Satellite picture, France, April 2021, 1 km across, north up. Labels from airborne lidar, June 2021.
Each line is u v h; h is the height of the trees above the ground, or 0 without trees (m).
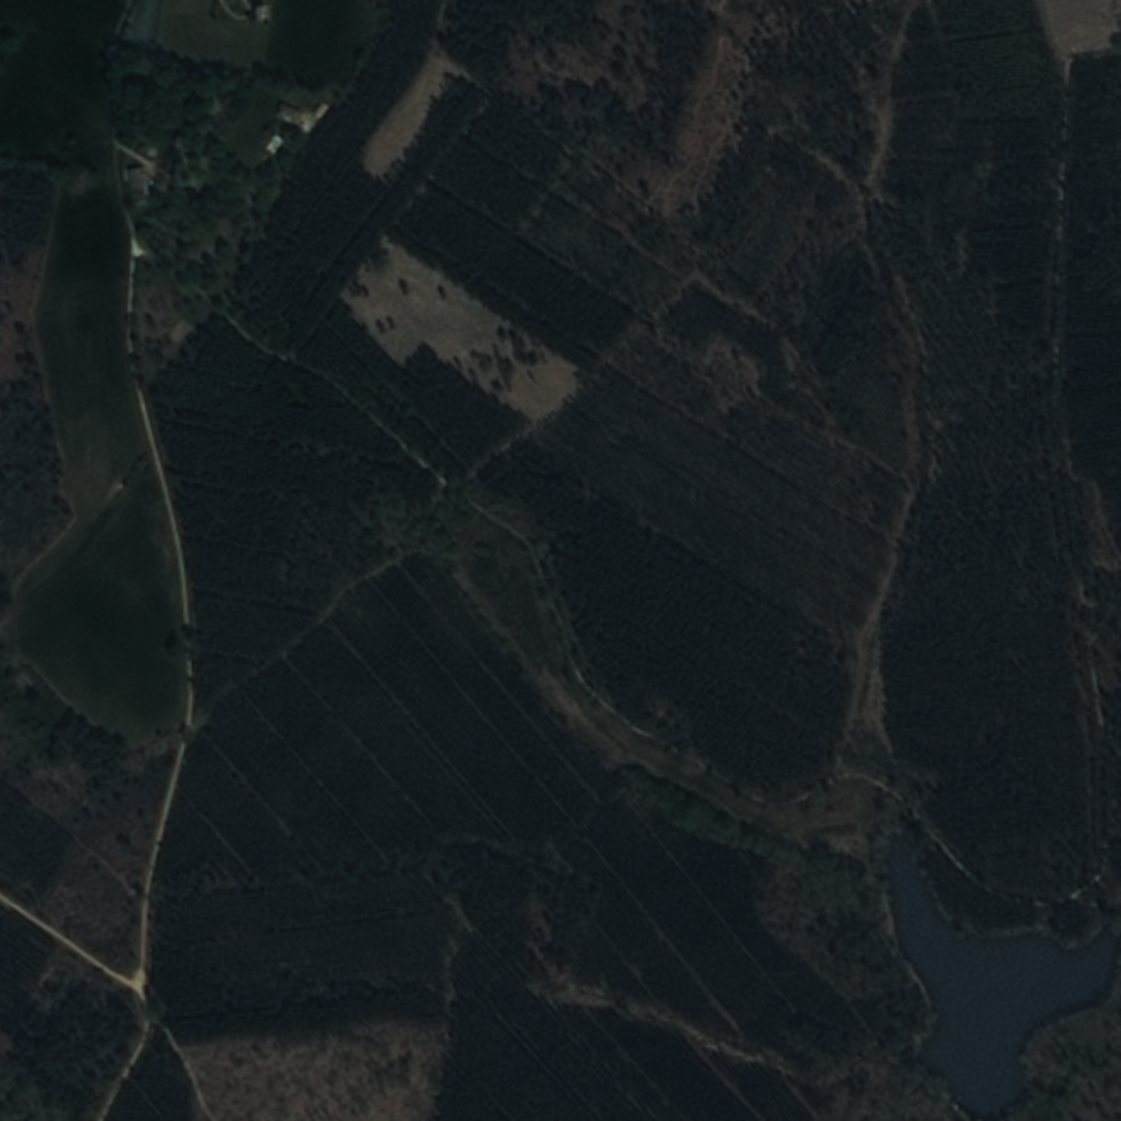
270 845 8
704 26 12
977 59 11
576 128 7
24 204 18
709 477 11
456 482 13
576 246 9
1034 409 17
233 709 8
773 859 13
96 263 0
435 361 14
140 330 8
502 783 9
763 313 15
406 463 11
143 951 0
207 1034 12
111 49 16
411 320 0
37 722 8
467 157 13
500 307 12
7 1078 15
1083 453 10
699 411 10
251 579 12
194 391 10
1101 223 15
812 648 16
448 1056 9
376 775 7
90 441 0
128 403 0
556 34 11
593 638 15
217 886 18
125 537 0
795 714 19
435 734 7
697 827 17
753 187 21
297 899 11
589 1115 12
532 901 15
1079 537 20
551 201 9
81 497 0
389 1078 12
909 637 14
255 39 0
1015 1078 0
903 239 22
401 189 11
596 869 8
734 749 16
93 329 0
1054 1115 17
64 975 8
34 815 8
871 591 13
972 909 13
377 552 10
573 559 16
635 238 12
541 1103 13
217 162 19
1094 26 0
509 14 15
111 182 0
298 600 12
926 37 10
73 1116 11
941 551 20
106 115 0
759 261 8
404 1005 12
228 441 12
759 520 12
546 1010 13
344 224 13
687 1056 10
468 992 15
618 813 9
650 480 11
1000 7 6
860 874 18
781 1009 9
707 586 16
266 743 6
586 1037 8
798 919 9
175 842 9
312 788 7
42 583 0
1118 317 12
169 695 0
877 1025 6
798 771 17
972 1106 0
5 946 8
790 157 16
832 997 7
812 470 8
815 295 10
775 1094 9
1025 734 14
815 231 15
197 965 12
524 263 13
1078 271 12
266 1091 0
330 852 8
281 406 13
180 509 10
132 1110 9
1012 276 12
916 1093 25
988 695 13
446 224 13
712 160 0
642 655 16
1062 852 14
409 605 9
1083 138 10
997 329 17
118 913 8
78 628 0
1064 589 20
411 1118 16
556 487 15
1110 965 0
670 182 0
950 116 7
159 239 10
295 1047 7
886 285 11
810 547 13
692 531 13
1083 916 14
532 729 7
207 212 17
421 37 12
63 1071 14
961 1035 0
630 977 8
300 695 8
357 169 11
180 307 9
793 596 13
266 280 10
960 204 7
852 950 26
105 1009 13
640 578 17
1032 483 21
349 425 14
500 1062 13
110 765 14
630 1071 8
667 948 8
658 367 7
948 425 14
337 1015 14
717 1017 8
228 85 19
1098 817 14
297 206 12
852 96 19
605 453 9
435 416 12
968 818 14
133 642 0
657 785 13
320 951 9
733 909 9
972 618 14
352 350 10
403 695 6
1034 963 0
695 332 11
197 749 7
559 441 9
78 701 0
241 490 12
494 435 11
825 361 15
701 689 17
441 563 7
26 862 8
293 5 0
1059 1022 12
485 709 7
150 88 17
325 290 14
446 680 9
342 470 12
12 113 0
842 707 16
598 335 13
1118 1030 20
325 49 0
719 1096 9
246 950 10
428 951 11
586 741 9
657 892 8
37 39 0
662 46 16
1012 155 8
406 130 0
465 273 12
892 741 12
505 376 7
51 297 0
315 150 11
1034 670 14
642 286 10
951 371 17
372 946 11
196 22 0
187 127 14
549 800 8
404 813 7
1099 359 11
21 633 0
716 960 7
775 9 12
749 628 17
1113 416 11
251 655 11
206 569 11
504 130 13
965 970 0
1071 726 15
